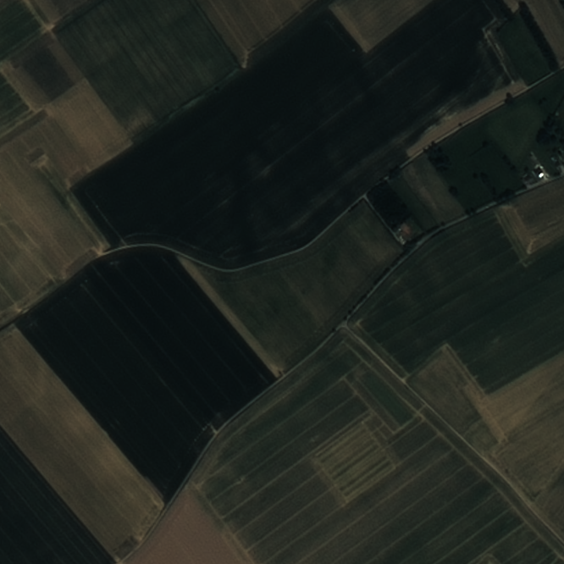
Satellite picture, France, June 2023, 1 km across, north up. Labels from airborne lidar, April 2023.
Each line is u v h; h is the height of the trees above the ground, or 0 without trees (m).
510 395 0
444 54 0
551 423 0
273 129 0
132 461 0
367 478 0
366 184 0
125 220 0
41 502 0
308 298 0
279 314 0
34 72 0
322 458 0
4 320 0
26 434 0
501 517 0
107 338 0
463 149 0
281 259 0
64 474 0
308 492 0
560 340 0
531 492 0
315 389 0
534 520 0
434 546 0
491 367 0
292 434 0
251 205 0
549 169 0
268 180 0
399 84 0
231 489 0
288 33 0
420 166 0
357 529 0
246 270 0
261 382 0
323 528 0
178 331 0
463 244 0
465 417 0
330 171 0
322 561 0
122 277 0
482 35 0
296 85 0
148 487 0
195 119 0
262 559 0
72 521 0
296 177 0
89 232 0
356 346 0
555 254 0
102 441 0
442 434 0
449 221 0
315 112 0
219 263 0
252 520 0
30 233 0
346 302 0
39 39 0
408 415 0
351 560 0
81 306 0
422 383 0
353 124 0
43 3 0
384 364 0
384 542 0
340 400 0
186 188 0
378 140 0
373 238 0
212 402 0
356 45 0
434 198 0
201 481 0
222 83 0
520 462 0
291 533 0
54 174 0
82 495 0
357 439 0
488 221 0
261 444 0
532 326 0
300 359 0
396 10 0
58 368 0
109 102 0
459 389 0
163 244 0
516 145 0
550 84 0
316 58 0
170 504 0
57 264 0
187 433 0
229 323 0
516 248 0
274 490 0
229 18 0
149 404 0
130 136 0
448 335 0
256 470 0
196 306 0
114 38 0
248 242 0
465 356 0
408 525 0
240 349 0
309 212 0
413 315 0
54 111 0
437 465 0
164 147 0
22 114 0
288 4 0
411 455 0
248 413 0
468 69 0
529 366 0
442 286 0
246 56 0
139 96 0
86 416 0
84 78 0
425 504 0
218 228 0
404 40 0
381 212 7
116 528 0
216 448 0
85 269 0
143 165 0
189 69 0
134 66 0
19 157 0
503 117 0
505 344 0
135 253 0
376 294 0
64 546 0
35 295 0
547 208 0
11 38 0
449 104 0
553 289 0
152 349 0
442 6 0
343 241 0
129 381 0
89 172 0
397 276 0
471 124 0
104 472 0
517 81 0
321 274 0
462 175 0
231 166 0
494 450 0
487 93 0
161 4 0
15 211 0
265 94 0
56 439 0
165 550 0
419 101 0
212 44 0
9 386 0
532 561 0
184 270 0
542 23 0
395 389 0
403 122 0
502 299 0
